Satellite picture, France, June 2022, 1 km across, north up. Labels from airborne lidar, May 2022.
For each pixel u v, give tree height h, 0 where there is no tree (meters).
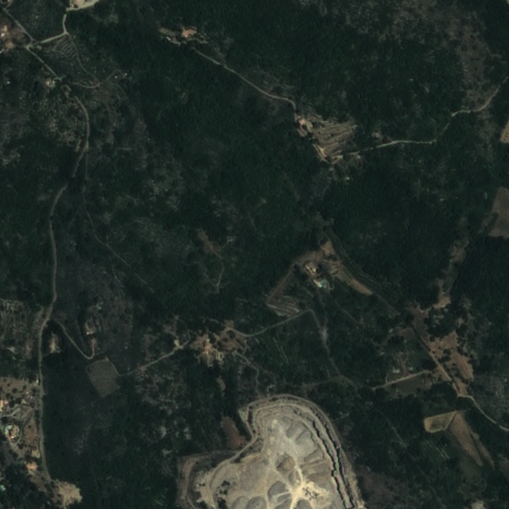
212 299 11
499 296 9
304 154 10
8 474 9
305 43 9
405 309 7
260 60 7
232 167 10
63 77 6
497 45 10
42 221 10
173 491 8
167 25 9
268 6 6
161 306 7
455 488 6
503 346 10
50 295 8
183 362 8
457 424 0
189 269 7
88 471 7
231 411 10
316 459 0
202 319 11
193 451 9
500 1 9
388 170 8
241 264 8
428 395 7
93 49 6
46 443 11
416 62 7
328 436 0
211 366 8
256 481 0
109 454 7
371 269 14
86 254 8
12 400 8
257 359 7
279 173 8
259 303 6
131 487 6
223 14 6
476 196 7
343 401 7
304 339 8
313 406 0
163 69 8
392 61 6
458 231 8
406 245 10
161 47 8
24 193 7
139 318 7
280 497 0
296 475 0
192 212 12
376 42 7
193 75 11
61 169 8
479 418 9
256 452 6
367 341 9
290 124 7
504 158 8
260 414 0
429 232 7
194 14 7
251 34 9
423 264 8
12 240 5
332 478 0
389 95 8
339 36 8
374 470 8
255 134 10
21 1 6
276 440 0
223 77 8
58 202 6
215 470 0
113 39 9
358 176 6
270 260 10
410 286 9
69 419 7
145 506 6
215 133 11
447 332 10
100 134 9
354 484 0
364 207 10
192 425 8
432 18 0
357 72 6
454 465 12
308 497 0
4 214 9
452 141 6
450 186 6
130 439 6
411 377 0
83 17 11
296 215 8
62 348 6
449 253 6
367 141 6
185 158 6
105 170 8
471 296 8
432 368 12
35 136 6
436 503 7
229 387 6
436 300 8
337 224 13
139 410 7
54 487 8
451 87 6
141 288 10
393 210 8
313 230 9
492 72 6
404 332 0
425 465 12
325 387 9
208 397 8
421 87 7
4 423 9
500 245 13
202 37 6
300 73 9
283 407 0
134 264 7
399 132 10
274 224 6
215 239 9
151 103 8
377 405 9
